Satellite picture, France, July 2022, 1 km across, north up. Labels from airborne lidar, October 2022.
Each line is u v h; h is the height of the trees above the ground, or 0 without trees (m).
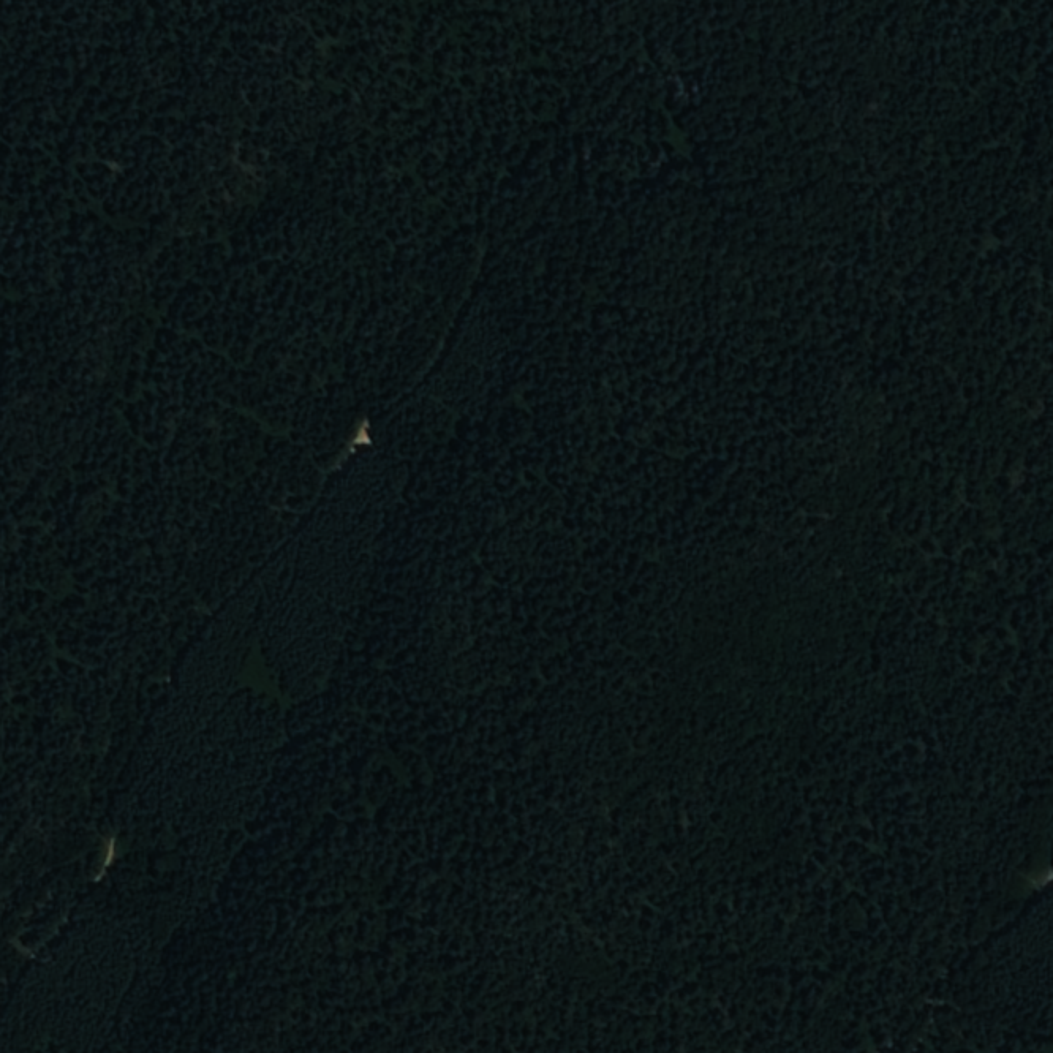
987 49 13
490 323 25
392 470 26
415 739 26
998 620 25
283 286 18
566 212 30
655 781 14
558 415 15
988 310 13
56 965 24
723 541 12
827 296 33
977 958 28
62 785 13
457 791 17
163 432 25
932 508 13
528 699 21
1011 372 22
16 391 24
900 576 31
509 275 19
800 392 14
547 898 37
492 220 24
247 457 12
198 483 19
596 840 20
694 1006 21
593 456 23
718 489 24
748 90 17
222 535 20
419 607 18
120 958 27
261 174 14
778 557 15
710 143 18
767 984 17
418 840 22
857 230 19
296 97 18
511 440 26
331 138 22
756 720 17
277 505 30
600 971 14
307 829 27
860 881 17
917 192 9
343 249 20
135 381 22
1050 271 22
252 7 20
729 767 19
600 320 28
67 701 15
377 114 22
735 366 23
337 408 17
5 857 20
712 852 27
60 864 24
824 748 13
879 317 20
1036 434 16
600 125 38
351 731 19
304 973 15
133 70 19
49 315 17
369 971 26
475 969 14
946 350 22
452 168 18
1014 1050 20
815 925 12
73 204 18
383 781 28
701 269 21
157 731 29
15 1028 23
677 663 10
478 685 22
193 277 8
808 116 25
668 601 14
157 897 20
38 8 23
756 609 15
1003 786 19
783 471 12
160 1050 27
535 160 30
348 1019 24
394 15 14
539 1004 13
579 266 17
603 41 23
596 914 10
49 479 30
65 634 23
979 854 21
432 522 29
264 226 15
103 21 23
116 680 26
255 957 22
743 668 15
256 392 9
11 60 27
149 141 26
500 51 22
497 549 26
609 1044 15
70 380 22
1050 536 14
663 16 26
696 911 25
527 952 24
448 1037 17
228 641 20
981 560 13
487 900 9
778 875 13
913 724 16
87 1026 26
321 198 17
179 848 10
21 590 15
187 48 19
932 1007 13
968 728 22
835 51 20
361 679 30
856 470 15
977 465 22
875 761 8
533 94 25
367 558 25
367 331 22
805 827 22
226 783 23
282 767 21
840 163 22
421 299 22
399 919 25
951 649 16
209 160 21
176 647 13
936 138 12
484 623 11
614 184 22
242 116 27
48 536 8
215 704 21
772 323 22
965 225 21
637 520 24
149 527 22
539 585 22
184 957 24
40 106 18
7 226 18
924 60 18
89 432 32
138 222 21
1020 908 19
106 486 22
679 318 23
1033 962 16
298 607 25
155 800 25
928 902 26
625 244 23
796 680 16
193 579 28
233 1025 29
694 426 24
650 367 21
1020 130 25
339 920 15
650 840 31
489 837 19
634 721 7
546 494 18
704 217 25
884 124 19
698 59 32
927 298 22
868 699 20
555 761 20
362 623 28
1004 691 22
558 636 26
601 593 25
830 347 11
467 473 24
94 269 22
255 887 27
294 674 21
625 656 8
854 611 16
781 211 8
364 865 21
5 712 31
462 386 19
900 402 25
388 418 25
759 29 21
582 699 16
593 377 15
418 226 22
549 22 24
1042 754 29
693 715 14
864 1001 17
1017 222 18
